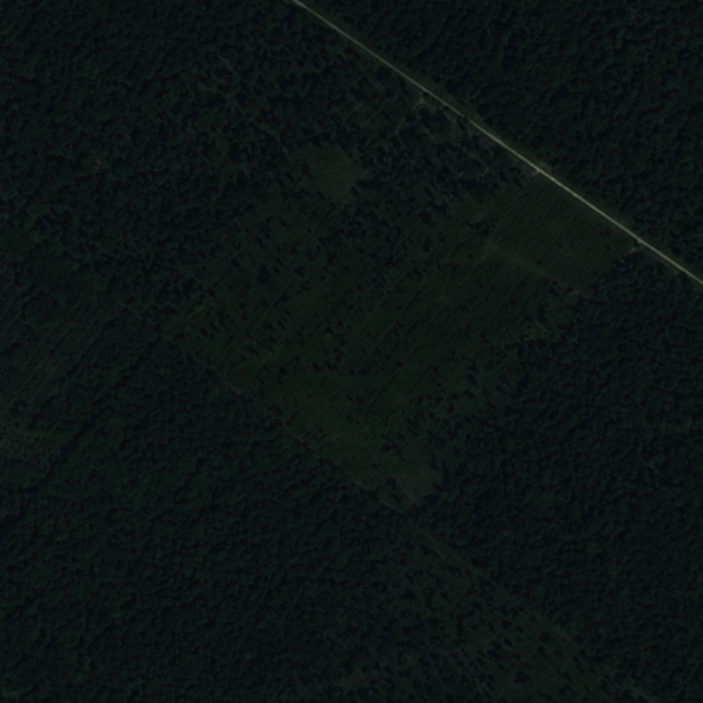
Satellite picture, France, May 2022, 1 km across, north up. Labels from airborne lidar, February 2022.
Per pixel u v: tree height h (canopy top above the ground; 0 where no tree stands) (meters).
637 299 22
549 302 0
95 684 23
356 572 23
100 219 25
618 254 0
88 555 23
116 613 26
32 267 16
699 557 22
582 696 0
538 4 26
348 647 22
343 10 23
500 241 0
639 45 26
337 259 26
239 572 25
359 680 0
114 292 23
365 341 0
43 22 21
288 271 0
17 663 29
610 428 21
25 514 27
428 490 0
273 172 26
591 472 22
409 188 22
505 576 23
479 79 22
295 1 0
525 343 14
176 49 28
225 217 22
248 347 0
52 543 26
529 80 25
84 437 23
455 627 0
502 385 0
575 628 21
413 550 22
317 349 0
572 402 23
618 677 0
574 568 24
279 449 26
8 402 0
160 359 23
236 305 0
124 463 23
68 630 25
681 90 30
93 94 25
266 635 25
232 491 27
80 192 28
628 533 23
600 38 34
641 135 29
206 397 24
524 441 20
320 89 29
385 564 25
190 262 23
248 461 25
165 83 29
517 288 0
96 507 24
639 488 27
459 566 0
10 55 25
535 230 0
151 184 25
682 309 22
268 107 0
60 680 21
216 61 31
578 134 18
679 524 21
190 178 16
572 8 26
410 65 22
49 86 25
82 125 23
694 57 26
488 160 24
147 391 18
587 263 0
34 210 23
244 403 20
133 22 27
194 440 22
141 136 23
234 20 21
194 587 26
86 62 28
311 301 0
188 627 25
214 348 0
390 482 0
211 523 25
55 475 19
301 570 23
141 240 26
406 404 0
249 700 22
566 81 23
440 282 0
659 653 23
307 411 0
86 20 23
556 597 21
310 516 22
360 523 24
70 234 27
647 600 20
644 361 23
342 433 0
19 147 26
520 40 26
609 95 18
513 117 28
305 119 26
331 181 0
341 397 0
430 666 24
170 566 24
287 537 24
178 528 21
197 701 21
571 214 0
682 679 24
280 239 0
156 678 21
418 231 0
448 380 0
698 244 24
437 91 0
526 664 23
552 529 25
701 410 28
